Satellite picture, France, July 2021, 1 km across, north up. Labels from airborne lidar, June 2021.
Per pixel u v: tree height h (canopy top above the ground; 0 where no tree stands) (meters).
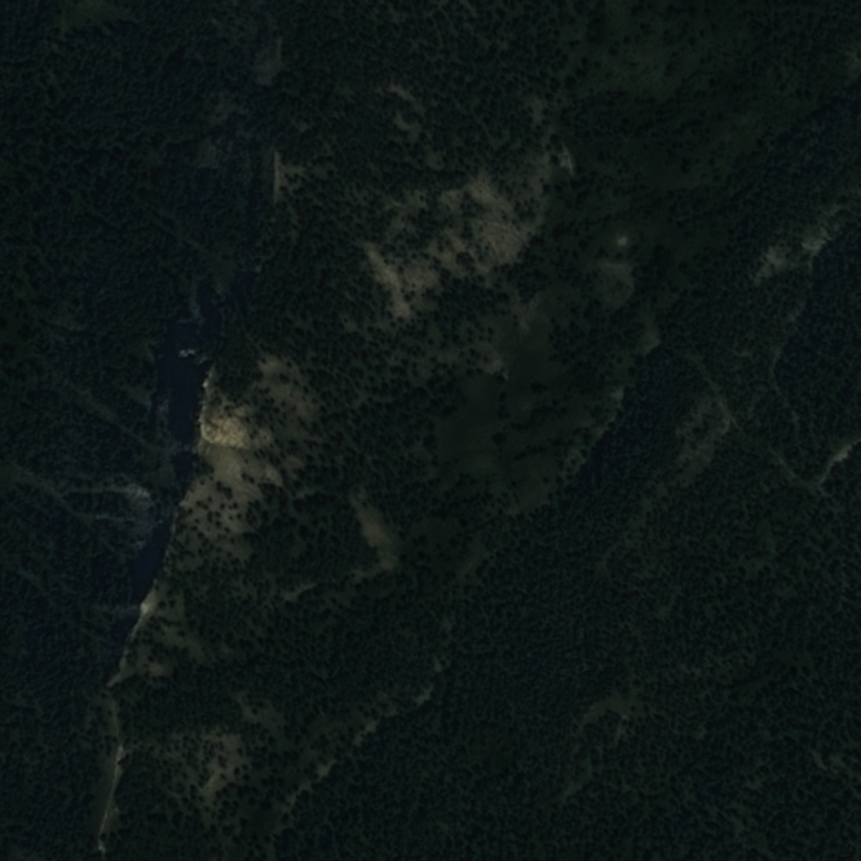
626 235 0
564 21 16
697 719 8
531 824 17
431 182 12
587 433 9
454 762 15
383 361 19
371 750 17
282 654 15
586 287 15
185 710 14
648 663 8
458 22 15
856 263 13
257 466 0
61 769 9
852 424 15
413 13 16
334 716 18
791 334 10
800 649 13
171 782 11
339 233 15
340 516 21
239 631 17
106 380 20
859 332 19
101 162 28
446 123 16
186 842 21
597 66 11
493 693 19
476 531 10
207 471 11
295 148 17
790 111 15
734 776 19
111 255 22
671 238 0
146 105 21
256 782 0
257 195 11
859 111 22
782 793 20
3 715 11
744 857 23
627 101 17
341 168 20
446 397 26
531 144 16
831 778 9
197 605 14
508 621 8
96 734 7
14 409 22
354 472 22
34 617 11
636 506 9
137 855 21
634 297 8
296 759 18
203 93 11
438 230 7
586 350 16
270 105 15
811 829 15
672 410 14
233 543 9
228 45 11
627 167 12
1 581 17
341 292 13
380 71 9
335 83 8
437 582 16
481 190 0
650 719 12
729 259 20
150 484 6
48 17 18
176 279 23
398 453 21
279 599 14
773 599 19
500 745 11
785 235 10
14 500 10
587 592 14
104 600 11
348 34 18
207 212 14
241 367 8
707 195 11
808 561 13
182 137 21
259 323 18
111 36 20
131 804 21
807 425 13
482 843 24
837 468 6
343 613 9
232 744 0
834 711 10
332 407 19
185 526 10
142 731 13
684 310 19
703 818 20
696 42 17
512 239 0
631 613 15
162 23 21
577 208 7
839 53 15
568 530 9
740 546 12
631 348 8
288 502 21
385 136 16
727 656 10
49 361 15
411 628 10
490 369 0
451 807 23
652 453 8
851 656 20
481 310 13
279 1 13
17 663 11
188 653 12
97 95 18
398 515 19
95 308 19
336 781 17
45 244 24
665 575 8
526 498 0
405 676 12
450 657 19
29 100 15
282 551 20
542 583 15
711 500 9
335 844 27
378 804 18
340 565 18
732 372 9
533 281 11
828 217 7
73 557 14
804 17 21
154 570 6
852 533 9
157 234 19
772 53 14
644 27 12
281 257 16
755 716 24
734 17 13
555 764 9
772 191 16
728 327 15
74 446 11
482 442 0
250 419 11
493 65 15
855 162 13
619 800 10
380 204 8
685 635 19
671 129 10
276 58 0
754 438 9
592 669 8
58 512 9
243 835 10
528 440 0
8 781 13
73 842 10
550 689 7
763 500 7
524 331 0
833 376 7
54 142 9
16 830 10
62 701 11
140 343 26
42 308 23
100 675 12
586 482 12
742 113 14
